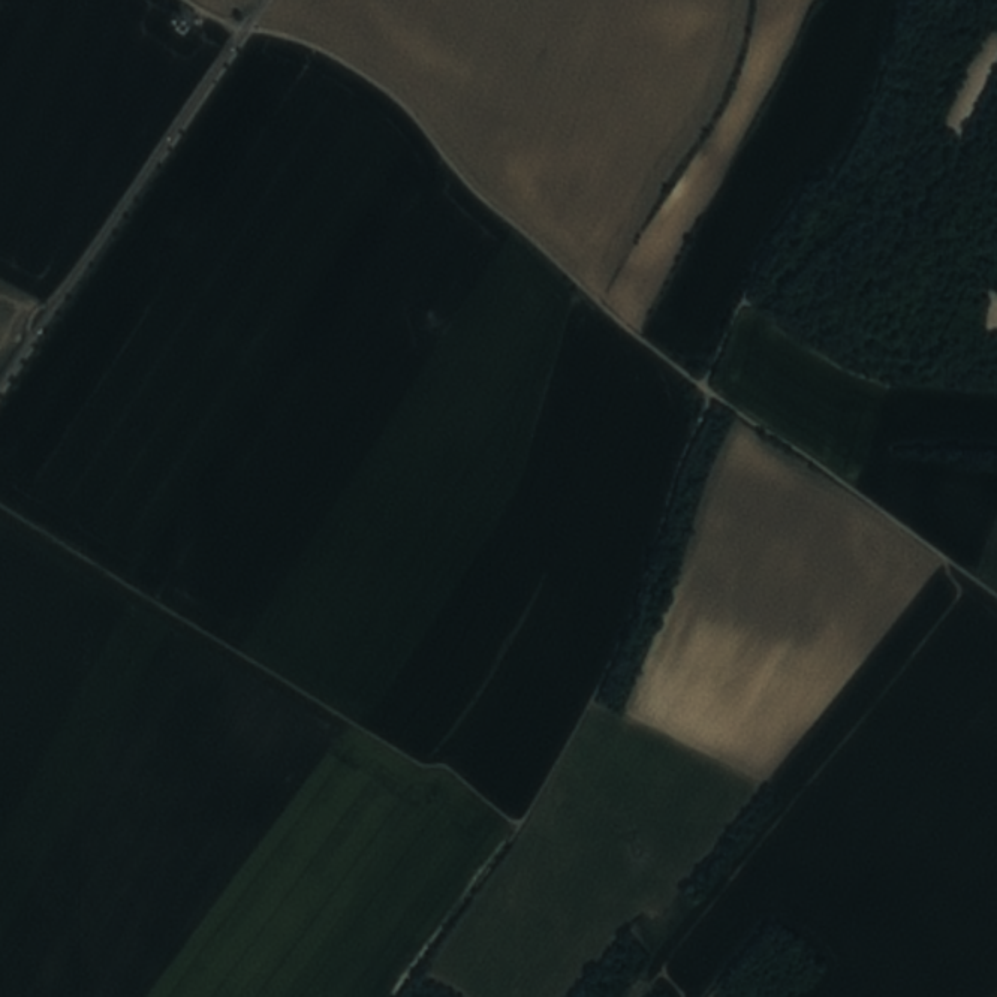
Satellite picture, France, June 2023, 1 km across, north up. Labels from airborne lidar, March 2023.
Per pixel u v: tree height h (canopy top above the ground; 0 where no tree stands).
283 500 0
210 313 0
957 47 18
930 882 0
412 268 0
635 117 0
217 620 0
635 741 0
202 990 0
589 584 0
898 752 0
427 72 0
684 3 0
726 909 0
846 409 0
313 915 0
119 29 0
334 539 0
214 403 0
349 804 0
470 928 0
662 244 0
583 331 0
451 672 0
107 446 0
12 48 0
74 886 0
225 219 0
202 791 0
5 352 0
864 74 0
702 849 0
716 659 0
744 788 0
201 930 0
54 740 0
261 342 0
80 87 0
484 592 0
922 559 0
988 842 0
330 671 0
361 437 0
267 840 0
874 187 8
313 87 0
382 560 0
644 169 0
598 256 0
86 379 0
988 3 22
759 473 0
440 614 0
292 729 0
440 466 0
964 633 0
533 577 0
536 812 0
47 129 0
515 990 0
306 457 0
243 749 0
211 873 0
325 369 0
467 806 0
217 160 0
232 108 0
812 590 0
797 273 12
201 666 0
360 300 0
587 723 0
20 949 0
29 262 0
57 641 0
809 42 0
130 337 0
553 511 0
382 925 0
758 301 8
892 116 20
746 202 0
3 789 0
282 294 0
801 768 0
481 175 0
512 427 0
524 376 0
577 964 0
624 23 0
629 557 0
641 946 17
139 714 0
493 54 0
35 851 0
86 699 0
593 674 0
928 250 10
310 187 0
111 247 0
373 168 0
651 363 0
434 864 0
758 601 0
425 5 0
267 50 0
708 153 0
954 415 0
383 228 0
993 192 7
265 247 0
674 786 0
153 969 0
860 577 0
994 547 0
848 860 0
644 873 0
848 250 20
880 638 0
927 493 0
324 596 0
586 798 0
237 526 0
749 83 0
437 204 0
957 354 11
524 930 0
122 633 0
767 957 16
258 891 0
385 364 0
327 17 0
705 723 0
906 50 18
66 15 0
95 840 0
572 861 0
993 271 13
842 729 0
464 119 0
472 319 0
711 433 7
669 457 0
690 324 0
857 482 0
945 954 0
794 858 0
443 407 0
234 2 0
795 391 0
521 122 0
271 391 0
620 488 0
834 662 0
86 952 0
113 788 0
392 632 0
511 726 0
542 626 0
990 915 0
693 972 0
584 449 0
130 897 0
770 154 0
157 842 0
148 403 0
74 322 0
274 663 0
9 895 0
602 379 0
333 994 0
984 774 0
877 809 0
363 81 0
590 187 0
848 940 0
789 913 0
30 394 0
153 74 0
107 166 0
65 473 0
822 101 0
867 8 0
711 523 0
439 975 0
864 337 6
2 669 0
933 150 16
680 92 0
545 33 0
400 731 0
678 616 0
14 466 0
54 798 0
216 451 0
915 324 10
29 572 0
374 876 0
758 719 0
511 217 0
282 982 0
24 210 0
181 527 0
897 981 0
